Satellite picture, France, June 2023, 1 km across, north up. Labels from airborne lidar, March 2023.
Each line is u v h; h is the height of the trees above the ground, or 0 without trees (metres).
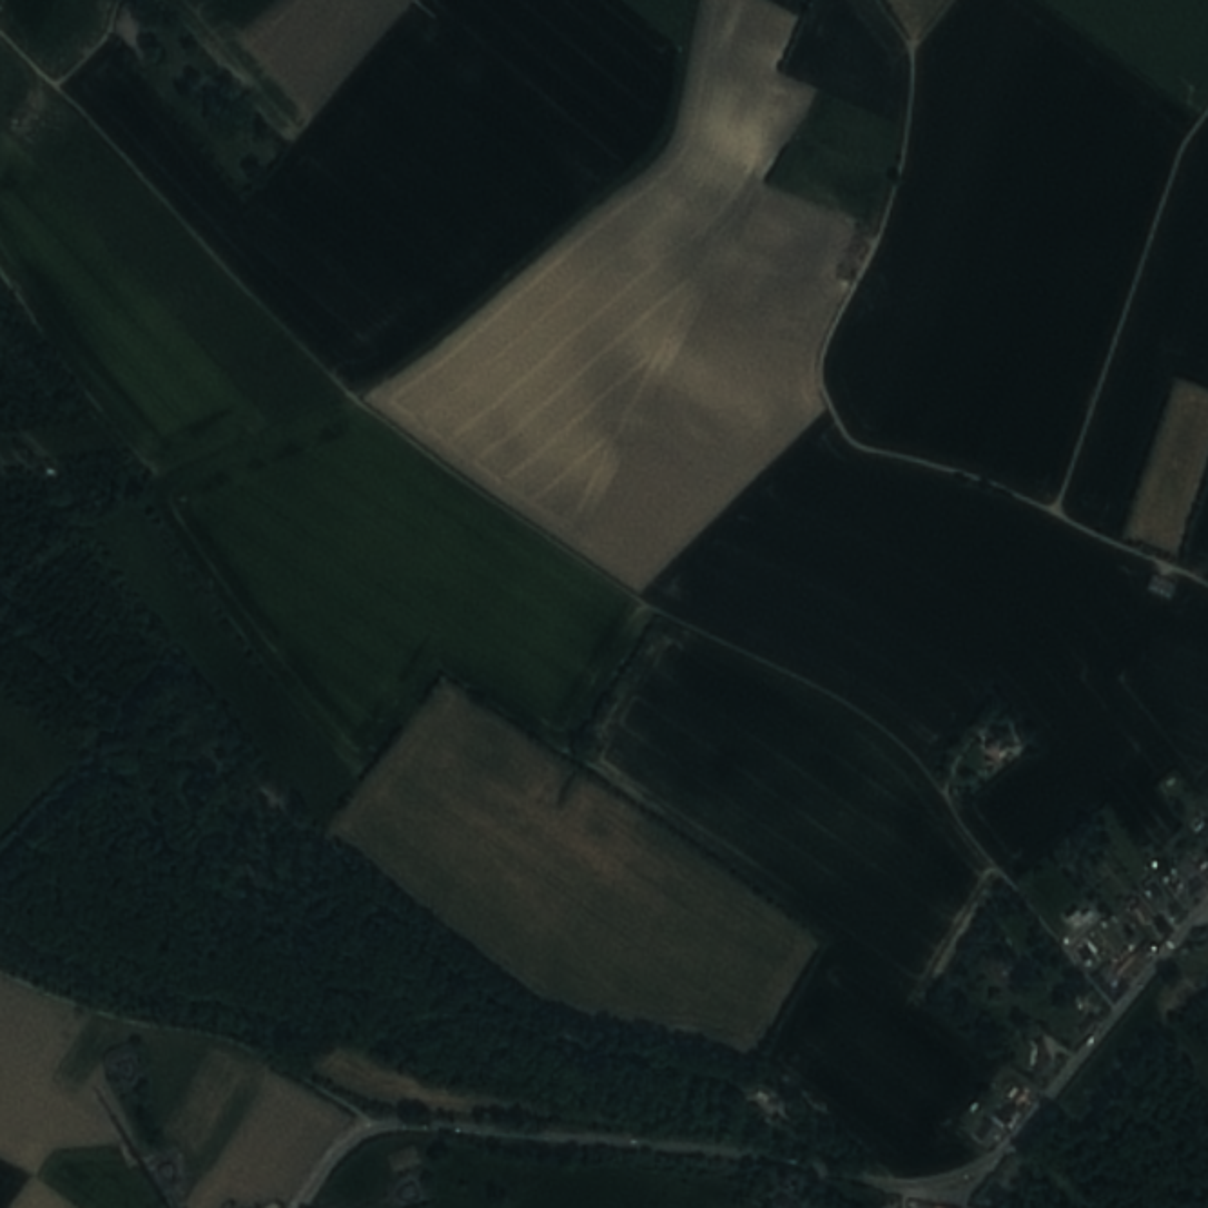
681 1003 0
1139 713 0
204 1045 0
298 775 0
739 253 0
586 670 0
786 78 0
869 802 0
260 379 0
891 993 0
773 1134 15
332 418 0
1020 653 0
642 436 0
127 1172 0
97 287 0
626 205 0
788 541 0
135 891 28
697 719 0
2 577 7
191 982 25
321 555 0
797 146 0
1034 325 0
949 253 0
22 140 0
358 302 0
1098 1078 0
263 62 0
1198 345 0
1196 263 0
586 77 0
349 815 0
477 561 0
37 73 0
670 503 0
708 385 0
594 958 0
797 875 0
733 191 0
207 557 0
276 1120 0
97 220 0
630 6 0
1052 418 0
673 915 0
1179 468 0
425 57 0
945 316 0
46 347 7
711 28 0
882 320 0
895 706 0
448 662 0
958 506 0
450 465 0
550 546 0
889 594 0
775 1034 10
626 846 0
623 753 0
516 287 0
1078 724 0
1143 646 0
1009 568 0
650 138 0
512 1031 29
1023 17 0
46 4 0
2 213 0
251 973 28
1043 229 0
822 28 0
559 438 0
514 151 0
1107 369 0
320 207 0
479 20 0
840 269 0
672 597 0
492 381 0
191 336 0
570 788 0
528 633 0
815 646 0
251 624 0
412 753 0
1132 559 0
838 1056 0
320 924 27
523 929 0
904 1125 0
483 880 0
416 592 0
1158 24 0
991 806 0
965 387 0
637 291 0
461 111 0
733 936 0
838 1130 14
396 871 0
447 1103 0
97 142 0
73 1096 0
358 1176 0
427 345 0
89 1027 0
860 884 0
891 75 0
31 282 0
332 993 31
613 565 0
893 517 0
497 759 0
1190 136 0
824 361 0
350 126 0
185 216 0
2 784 0
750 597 0
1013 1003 0
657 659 0
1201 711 0
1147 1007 0
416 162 0
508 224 0
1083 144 0
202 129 0
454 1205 0
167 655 10
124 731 24
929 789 0
